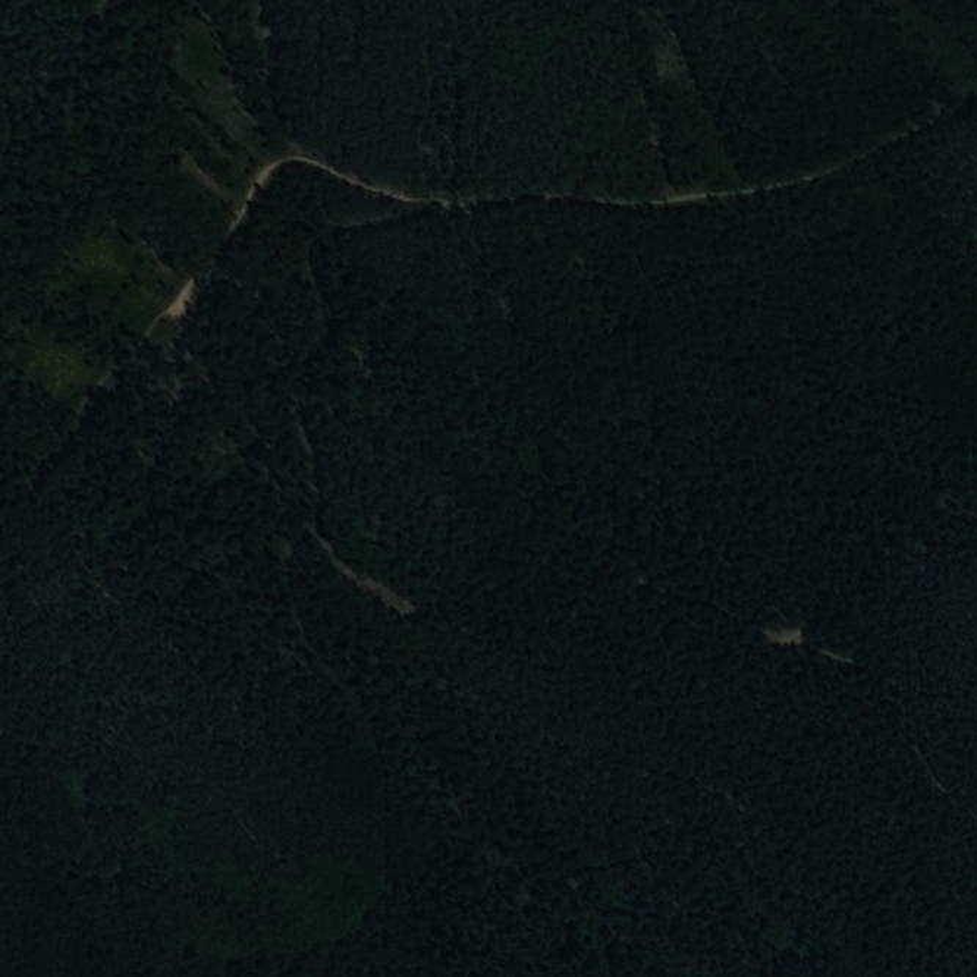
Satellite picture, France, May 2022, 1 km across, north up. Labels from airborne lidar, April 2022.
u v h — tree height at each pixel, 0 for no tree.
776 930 25
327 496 25
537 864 31
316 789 16
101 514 26
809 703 25
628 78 25
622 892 25
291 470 26
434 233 19
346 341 28
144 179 29
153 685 21
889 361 27
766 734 23
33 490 17
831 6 33
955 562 20
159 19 21
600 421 25
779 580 16
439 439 25
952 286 24
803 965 33
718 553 23
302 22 24
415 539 20
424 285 19
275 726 27
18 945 15
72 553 18
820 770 21
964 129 23
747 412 12
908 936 26
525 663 24
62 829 17
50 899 17
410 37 24
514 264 19
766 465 20
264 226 14
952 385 12
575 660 24
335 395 27
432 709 20
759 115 25
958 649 22
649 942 21
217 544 35
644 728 26
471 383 18
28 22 32
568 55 22
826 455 14
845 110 22
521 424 20
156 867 20
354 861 19
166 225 27
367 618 32
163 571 28
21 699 21
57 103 36
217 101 0
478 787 17
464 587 27
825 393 20
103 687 16
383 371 16
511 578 29
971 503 18
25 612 19
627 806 30
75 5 9
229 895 20
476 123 27
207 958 19
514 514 24
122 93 19
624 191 24
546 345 17
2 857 30
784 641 0
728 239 16
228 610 28
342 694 17
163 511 14
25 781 27
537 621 30
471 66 24
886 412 14
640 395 9
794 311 12
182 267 33
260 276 30
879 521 21
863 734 29
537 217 24
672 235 23
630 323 11
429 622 24
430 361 16
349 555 19
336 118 21
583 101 19
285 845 19
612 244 24
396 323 22
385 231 18
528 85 23
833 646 22
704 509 13
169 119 22
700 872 27
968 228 12
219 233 28
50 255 31
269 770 13
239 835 17
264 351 29
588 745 24
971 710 25
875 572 10
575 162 25
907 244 13
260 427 29
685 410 17
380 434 24
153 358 35
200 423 27
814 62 33
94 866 16
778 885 27
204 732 19
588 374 28
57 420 33
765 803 24
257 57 31
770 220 10
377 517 25
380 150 22
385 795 13
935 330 11
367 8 23
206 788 15
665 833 27
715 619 28
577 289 30
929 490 6
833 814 25
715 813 26
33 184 36
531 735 28
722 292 14
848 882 25
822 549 22
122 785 24
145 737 21
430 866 25
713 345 20
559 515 32
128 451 29
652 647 22
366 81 21
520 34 27
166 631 25
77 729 20
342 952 22
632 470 29
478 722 25
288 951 16
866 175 10
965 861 27
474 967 27
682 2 19
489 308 26
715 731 25
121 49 22
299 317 22
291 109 28
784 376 12
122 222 37
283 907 17
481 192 22
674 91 8
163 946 21
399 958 26
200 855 19
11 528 14
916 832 24
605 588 26
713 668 23
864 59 27
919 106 22
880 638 23
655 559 26
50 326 9
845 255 13
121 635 22
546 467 27
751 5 29
